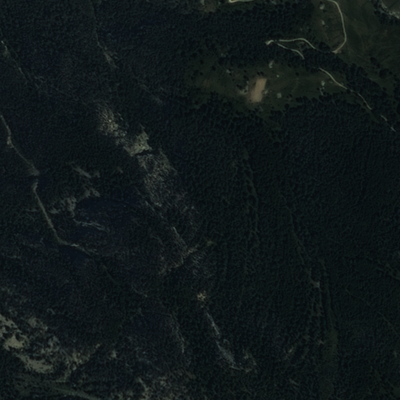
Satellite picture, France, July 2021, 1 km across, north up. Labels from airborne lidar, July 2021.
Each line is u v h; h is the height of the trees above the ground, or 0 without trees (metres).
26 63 23
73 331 13
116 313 13
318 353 7
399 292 20
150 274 14
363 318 24
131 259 11
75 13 19
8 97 15
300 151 14
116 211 9
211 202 12
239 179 21
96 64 21
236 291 13
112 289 30
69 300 15
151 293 11
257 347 19
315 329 23
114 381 11
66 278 8
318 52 12
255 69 0
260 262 13
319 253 14
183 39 16
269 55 9
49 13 13
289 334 14
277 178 11
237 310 26
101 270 23
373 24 0
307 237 19
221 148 19
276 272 27
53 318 15
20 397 15
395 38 0
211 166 18
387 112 23
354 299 16
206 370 19
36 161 7
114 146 15
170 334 10
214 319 22
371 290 18
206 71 0
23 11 15
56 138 14
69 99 13
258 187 22
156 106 11
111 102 14
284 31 17
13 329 9
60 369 10
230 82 0
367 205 24
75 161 14
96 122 11
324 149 14
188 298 15
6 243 10
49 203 13
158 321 8
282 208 17
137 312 13
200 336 7
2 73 15
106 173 14
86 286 14
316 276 17
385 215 18
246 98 0
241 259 13
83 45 16
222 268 15
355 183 26
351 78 23
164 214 7
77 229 11
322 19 0
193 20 20
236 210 23
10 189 8
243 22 19
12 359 13
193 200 19
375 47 0
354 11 0
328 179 18
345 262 9
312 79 0
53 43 18
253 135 23
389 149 19
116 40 11
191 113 28
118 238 6
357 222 12
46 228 8
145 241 18
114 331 14
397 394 0
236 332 15
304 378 11
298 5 15
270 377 16
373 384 19
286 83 0
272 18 8
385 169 23
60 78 8
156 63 18
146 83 14
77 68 15
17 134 12
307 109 19
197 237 14
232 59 12
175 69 13
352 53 0
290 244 25
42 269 6
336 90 0
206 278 11
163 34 16
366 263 23
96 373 11
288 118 18
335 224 11
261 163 32
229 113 11
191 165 19
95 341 14
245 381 14
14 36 12
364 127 21
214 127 25
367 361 14
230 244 14
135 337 8
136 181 16
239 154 21
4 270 22
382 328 14
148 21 9
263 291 18
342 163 19
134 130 14
